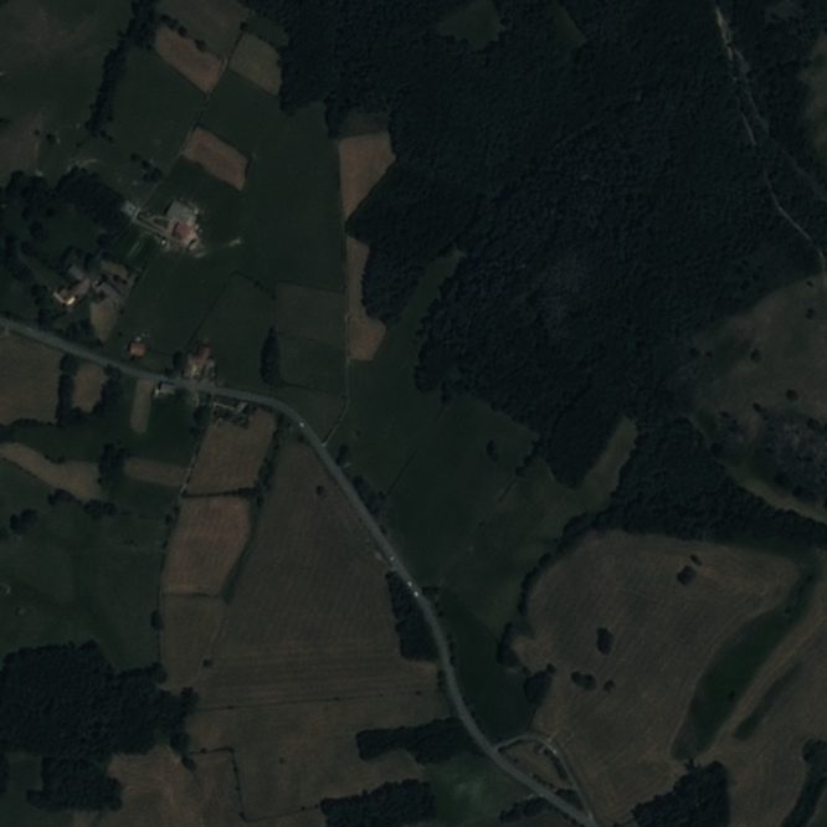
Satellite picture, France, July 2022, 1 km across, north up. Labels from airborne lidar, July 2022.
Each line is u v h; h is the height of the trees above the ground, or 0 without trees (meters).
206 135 0
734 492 20
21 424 11
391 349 0
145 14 18
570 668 0
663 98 24
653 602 0
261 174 0
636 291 23
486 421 0
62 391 15
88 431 0
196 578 0
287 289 0
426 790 14
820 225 20
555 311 26
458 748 18
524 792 0
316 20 20
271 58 0
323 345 0
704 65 16
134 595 0
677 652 0
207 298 0
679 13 11
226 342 0
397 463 0
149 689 21
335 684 0
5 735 25
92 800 22
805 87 16
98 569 0
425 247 7
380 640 0
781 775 0
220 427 0
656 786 0
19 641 0
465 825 0
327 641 0
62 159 0
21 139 0
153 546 0
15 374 0
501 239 28
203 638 0
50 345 0
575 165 23
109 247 17
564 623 0
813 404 0
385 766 0
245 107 0
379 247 10
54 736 20
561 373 7
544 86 18
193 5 0
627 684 0
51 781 29
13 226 0
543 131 21
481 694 0
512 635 14
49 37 0
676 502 9
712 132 13
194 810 0
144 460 0
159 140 0
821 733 0
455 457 0
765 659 0
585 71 19
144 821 0
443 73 24
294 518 0
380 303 18
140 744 21
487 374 6
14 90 0
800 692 0
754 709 0
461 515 0
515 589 0
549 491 0
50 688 19
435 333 24
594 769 0
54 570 0
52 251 0
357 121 0
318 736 0
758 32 23
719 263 19
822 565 0
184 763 10
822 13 15
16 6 0
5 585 0
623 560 0
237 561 0
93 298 0
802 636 0
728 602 0
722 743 0
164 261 0
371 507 16
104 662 22
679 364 0
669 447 20
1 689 20
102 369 0
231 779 0
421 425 0
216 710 0
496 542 0
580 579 0
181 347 0
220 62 0
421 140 23
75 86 0
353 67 21
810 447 0
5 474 0
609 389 21
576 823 9
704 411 0
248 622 0
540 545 0
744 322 0
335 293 0
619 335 22
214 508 0
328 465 0
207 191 0
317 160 0
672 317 14
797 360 0
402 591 13
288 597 0
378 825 22
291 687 0
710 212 18
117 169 0
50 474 0
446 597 0
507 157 15
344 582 0
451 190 7
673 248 19
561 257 23
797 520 25
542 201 24
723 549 0
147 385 0
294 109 15
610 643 16
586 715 0
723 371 0
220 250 0
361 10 24
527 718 0
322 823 0
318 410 0
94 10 0
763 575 0
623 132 16
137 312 0
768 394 0
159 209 0
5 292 0
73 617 0
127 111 0
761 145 13
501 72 22
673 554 0
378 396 0
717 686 0
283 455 0
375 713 0
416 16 22
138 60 0
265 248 0
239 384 0
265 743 0
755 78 18
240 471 0
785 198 15
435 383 17
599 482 0
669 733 0
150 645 0
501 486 0
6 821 0
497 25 0
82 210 16
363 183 0
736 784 0
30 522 17
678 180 19
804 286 0
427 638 11
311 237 0
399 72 21
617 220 29
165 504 0
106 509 11
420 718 0
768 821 0
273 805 0
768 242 9
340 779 0
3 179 0
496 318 16
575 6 26
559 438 16
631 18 13
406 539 0
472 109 16
